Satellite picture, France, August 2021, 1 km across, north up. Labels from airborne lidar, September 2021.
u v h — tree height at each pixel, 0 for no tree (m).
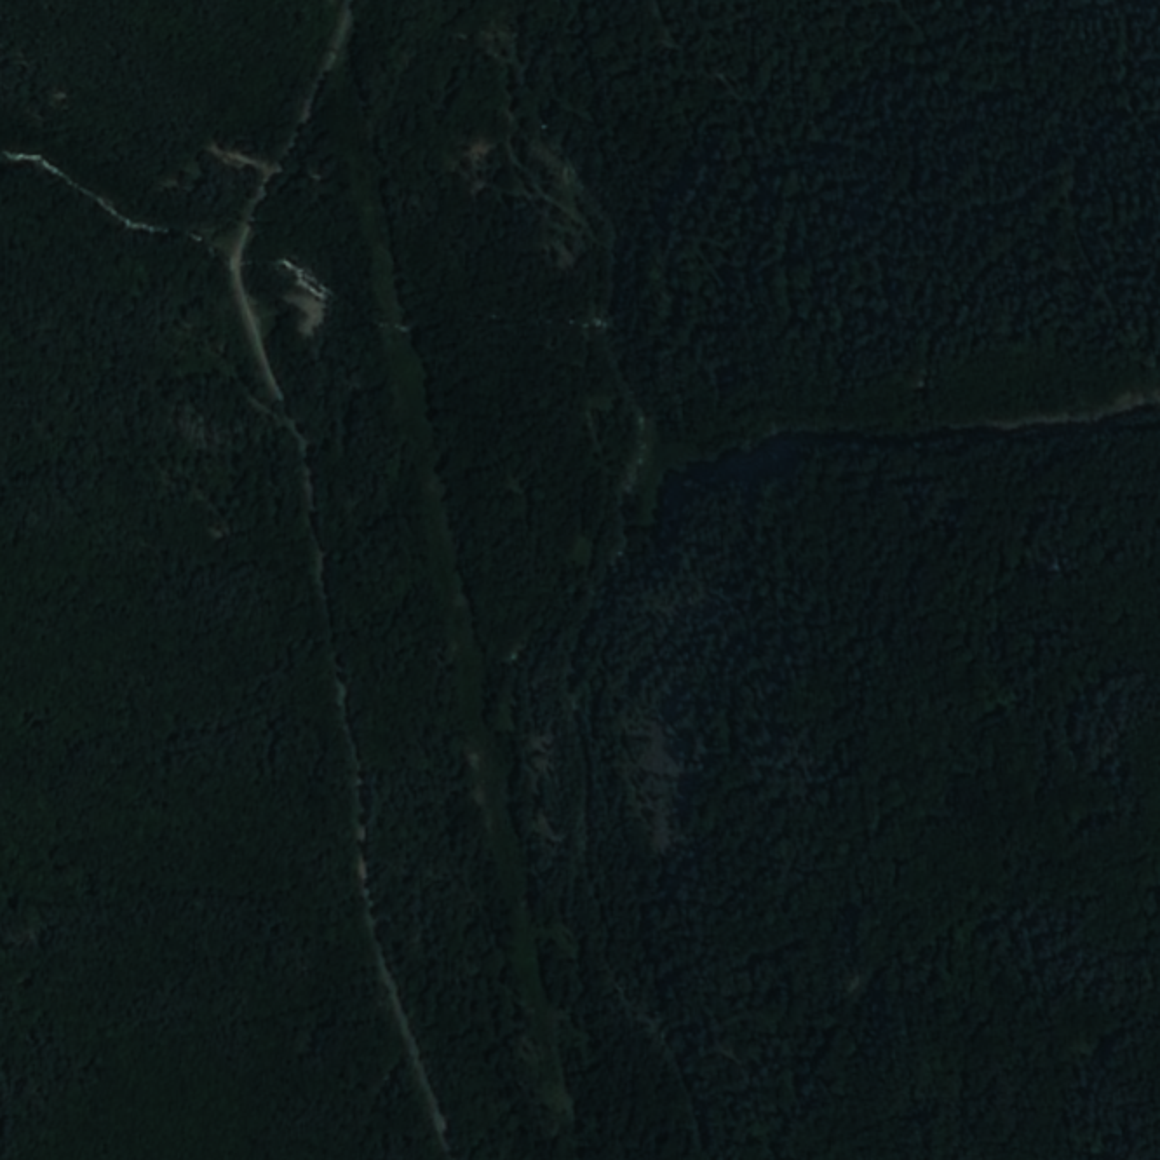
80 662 17
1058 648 26
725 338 21
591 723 11
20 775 24
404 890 18
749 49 26
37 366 27
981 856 21
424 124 27
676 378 30
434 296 21
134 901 30
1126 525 19
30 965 22
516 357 17
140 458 25
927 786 36
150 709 26
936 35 14
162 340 31
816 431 8
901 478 25
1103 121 23
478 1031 15
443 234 27
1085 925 37
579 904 21
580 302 8
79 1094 20
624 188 16
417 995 19
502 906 14
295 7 27
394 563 27
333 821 33
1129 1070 31
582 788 11
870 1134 27
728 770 30
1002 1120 22
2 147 11
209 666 28
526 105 21
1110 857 25
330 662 20
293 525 24
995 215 16
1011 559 21
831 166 29
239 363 12
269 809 27
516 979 24
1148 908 29
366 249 19
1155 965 38
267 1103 29
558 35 22
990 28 23
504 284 9
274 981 27
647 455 0
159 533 24
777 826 29
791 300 20
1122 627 19
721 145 29
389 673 27
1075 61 19
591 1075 14
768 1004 22
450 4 28
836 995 8
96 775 23
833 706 26
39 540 24
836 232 21
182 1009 35
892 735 19
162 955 29
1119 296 14
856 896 29
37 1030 23
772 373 24
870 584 20
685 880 24
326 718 25
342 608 27
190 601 33
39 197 17
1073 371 13
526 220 27
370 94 29
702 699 27
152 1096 27
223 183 15
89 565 27
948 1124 19
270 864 26
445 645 15
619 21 27
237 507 28
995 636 15
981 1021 26
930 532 18
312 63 17
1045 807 26
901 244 23
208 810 25
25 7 29
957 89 16
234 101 32
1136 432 9
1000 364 17
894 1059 21
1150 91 12
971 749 22
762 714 19
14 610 27
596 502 16
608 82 26
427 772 13
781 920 26
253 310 0
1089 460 27
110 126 18
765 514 20
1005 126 23
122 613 25
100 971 25
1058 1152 18
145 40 19
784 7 26
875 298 11
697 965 33
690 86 12
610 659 25
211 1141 30
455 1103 18
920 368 16
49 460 30
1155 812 23
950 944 15
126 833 22
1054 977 31
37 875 22
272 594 25
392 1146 28
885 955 24
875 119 18
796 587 33
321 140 17
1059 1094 24
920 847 24
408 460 12
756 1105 33
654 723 14
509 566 23
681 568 40
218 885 27
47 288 27
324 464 24
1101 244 26
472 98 28
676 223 31
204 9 27
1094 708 26
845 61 21
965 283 22
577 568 5
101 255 16
